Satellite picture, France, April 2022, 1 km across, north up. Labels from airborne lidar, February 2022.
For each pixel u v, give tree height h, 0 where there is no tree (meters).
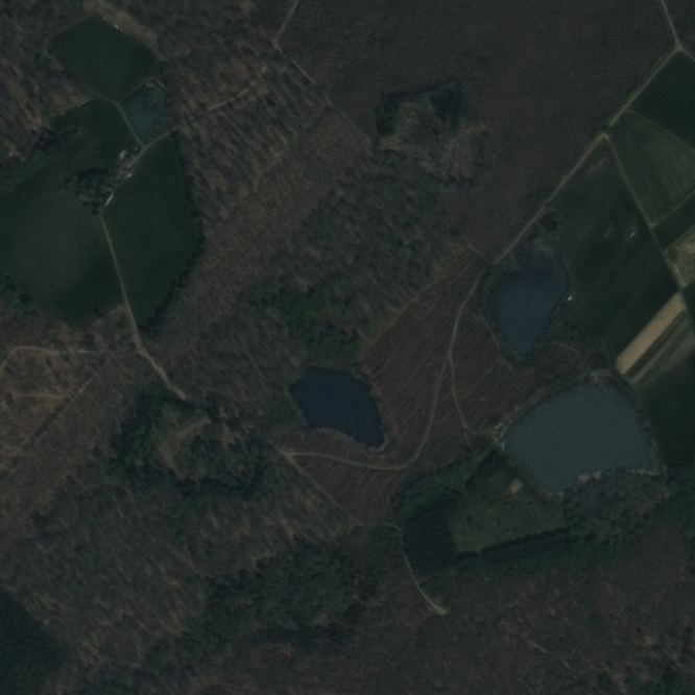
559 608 14
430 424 0
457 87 25
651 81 0
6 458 0
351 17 9
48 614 22
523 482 0
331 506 27
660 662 17
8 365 0
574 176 0
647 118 0
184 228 0
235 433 29
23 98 0
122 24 0
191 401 23
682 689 22
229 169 0
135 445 25
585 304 0
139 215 0
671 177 0
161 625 35
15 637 15
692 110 0
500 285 0
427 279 29
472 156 0
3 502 0
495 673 14
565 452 0
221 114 0
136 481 27
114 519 31
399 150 0
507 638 14
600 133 9
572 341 11
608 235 0
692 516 11
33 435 0
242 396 26
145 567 26
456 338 0
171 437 0
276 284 24
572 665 10
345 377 0
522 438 0
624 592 0
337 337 30
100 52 0
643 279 0
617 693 30
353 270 28
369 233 28
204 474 0
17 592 23
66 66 0
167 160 0
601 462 0
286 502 29
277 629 6
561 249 0
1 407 30
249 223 0
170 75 27
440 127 0
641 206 0
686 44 12
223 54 30
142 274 0
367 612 11
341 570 8
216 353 28
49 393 0
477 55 9
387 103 23
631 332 0
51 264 0
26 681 13
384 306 29
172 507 25
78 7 23
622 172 0
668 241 0
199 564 35
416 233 26
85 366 29
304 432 16
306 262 21
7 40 29
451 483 19
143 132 0
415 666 14
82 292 0
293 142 30
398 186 26
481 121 20
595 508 26
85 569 27
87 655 27
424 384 0
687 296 0
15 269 0
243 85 0
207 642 21
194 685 28
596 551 14
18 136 33
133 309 0
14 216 0
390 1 7
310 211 0
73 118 0
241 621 16
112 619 25
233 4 31
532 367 9
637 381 0
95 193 10
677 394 0
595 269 0
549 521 0
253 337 30
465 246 25
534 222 0
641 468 0
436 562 20
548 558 14
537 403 0
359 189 26
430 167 0
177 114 27
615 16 14
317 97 31
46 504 0
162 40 30
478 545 0
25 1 0
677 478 14
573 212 0
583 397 0
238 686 7
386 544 18
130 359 0
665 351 0
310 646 6
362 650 7
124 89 0
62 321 0
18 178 26
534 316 0
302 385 0
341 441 0
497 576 10
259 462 27
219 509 22
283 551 31
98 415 0
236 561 26
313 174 0
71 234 0
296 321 24
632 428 0
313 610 11
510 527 0
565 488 0
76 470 0
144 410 26
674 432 0
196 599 17
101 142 0
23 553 24
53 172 0
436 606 0
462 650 17
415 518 18
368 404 0
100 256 0
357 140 0
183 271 0
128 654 30
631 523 26
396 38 9
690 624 8
